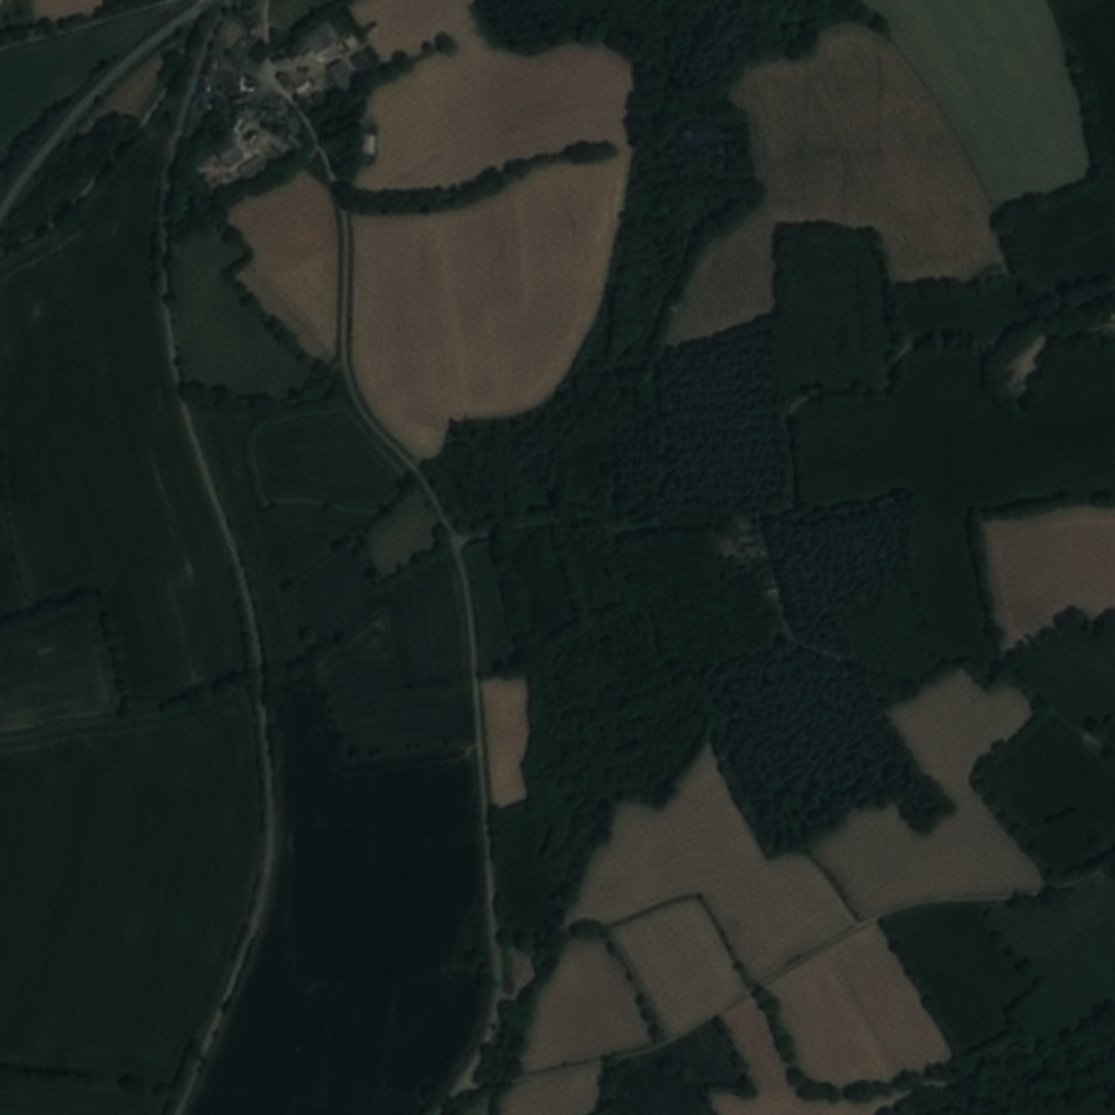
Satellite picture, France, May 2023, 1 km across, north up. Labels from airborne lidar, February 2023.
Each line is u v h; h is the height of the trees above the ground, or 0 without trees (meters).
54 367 0
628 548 18
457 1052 0
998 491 0
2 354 0
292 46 11
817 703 14
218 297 0
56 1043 0
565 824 9
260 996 0
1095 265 0
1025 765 0
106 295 0
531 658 20
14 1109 0
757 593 17
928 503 0
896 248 0
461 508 0
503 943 12
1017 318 0
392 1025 0
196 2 0
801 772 18
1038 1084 13
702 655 19
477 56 0
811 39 12
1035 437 0
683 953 0
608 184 0
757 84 0
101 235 0
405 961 0
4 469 14
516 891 0
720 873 0
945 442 0
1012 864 0
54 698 0
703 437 22
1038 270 0
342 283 0
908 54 0
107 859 0
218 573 0
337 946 0
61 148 8
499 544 20
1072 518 0
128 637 0
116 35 0
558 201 0
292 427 0
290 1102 0
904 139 0
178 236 13
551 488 9
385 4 0
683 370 21
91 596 14
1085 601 0
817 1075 0
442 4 0
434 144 0
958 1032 0
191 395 19
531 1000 15
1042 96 0
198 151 10
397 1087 0
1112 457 0
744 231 0
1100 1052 8
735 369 26
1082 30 0
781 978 0
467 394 0
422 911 0
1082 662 0
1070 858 0
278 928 0
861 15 11
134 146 9
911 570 7
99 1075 0
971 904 0
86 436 0
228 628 0
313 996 0
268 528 0
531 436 9
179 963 0
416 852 0
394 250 0
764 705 19
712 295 0
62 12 0
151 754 0
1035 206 15
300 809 0
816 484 0
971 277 0
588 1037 0
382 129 0
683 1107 0
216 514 0
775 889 0
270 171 14
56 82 0
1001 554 0
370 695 0
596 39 17
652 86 16
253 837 0
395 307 0
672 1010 0
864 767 21
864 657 10
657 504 21
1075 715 0
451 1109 16
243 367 0
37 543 0
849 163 0
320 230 0
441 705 0
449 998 0
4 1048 0
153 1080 0
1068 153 0
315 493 0
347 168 11
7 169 12
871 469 0
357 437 0
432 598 0
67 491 0
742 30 27
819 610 21
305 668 13
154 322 0
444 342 0
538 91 0
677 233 9
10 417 0
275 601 0
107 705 0
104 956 0
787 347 0
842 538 23
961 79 0
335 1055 0
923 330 0
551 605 0
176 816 0
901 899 0
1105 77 0
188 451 0
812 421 0
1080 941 0
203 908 0
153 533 0
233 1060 0
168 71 11
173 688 0
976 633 0
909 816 16
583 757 11
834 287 0
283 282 0
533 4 30
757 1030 0
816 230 15
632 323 9
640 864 0
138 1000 0
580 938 13
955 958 0
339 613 0
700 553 18
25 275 0
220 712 0
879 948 0
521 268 0
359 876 0
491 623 0
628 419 9
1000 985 0
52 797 0
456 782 0
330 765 0
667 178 7
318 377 13
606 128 0
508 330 0
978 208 0
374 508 0
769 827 15
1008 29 0
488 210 0
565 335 0
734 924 0
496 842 7
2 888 0
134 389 0
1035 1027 0
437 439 0
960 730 0
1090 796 0
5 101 0
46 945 0
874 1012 0
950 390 0
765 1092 0
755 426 23
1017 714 0
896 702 10
